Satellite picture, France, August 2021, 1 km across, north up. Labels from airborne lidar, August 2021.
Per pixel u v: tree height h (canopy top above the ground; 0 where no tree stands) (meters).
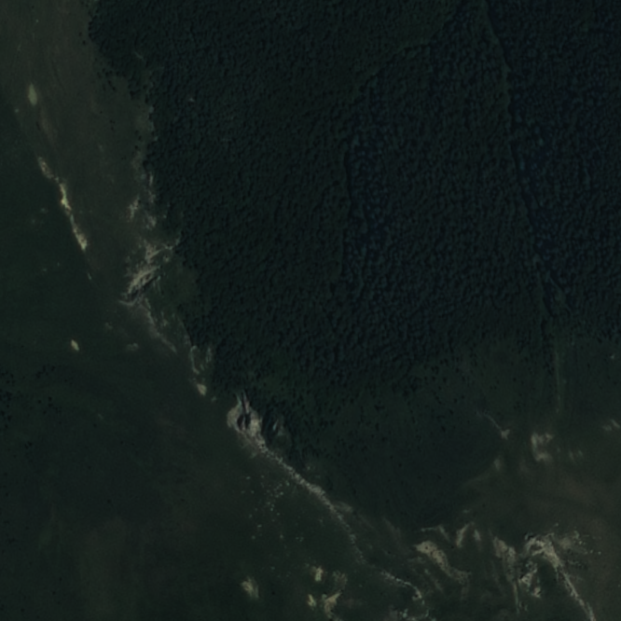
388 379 15
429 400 0
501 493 0
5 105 0
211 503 0
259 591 0
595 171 22
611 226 24
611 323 13
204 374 0
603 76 23
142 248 0
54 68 0
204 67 22
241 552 0
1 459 0
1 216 0
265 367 8
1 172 0
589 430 0
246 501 0
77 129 0
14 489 0
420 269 17
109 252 0
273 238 17
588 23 13
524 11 16
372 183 23
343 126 24
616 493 0
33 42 0
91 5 0
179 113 12
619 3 21
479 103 21
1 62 0
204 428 0
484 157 18
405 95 25
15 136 0
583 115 18
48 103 0
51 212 0
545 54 16
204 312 7
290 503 0
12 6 0
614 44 22
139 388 0
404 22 18
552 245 12
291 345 12
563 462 0
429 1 22
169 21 15
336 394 13
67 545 0
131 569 0
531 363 5
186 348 0
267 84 26
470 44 19
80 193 0
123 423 0
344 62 20
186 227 10
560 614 0
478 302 15
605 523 0
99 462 0
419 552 0
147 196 0
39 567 0
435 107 24
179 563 0
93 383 0
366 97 22
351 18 17
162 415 0
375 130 21
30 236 0
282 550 0
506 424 0
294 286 22
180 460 0
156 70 6
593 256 19
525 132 25
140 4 18
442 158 19
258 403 10
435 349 14
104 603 0
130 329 0
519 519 0
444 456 0
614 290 20
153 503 0
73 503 0
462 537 0
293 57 28
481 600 0
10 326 0
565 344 0
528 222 14
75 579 0
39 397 0
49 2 0
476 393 0
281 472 0
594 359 0
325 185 29
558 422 0
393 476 0
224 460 0
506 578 0
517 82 20
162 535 0
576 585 0
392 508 0
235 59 18
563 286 20
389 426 0
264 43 15
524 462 0
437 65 21
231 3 19
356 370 15
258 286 23
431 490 0
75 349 0
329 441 0
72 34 0
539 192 29
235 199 16
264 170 16
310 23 24
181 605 0
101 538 0
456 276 15
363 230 32
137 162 0
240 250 12
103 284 0
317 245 23
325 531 0
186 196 10
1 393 13
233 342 8
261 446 0
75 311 0
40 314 0
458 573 0
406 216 17
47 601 0
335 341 16
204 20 14
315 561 0
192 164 15
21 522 0
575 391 0
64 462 0
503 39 22
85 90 0
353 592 0
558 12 17
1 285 0
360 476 0
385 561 0
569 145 21
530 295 13
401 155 15
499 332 11
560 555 0
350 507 0
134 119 0
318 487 0
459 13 12
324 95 15
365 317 25
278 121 23
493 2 24
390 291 14
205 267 15
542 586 0
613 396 0
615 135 20
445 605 0
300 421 10
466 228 18
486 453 0
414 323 17
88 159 0
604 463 0
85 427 0
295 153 19
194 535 0
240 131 17
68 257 0
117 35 15
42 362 0
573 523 0
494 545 0
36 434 0
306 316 22
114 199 0
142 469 0
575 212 22
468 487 0
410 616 0
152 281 0
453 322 14
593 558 0
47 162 0
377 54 16
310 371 20
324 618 0
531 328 14
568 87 15
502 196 30
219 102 21
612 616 0
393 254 24
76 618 0
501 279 20
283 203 20
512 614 0
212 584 0
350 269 20
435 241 21
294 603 0
